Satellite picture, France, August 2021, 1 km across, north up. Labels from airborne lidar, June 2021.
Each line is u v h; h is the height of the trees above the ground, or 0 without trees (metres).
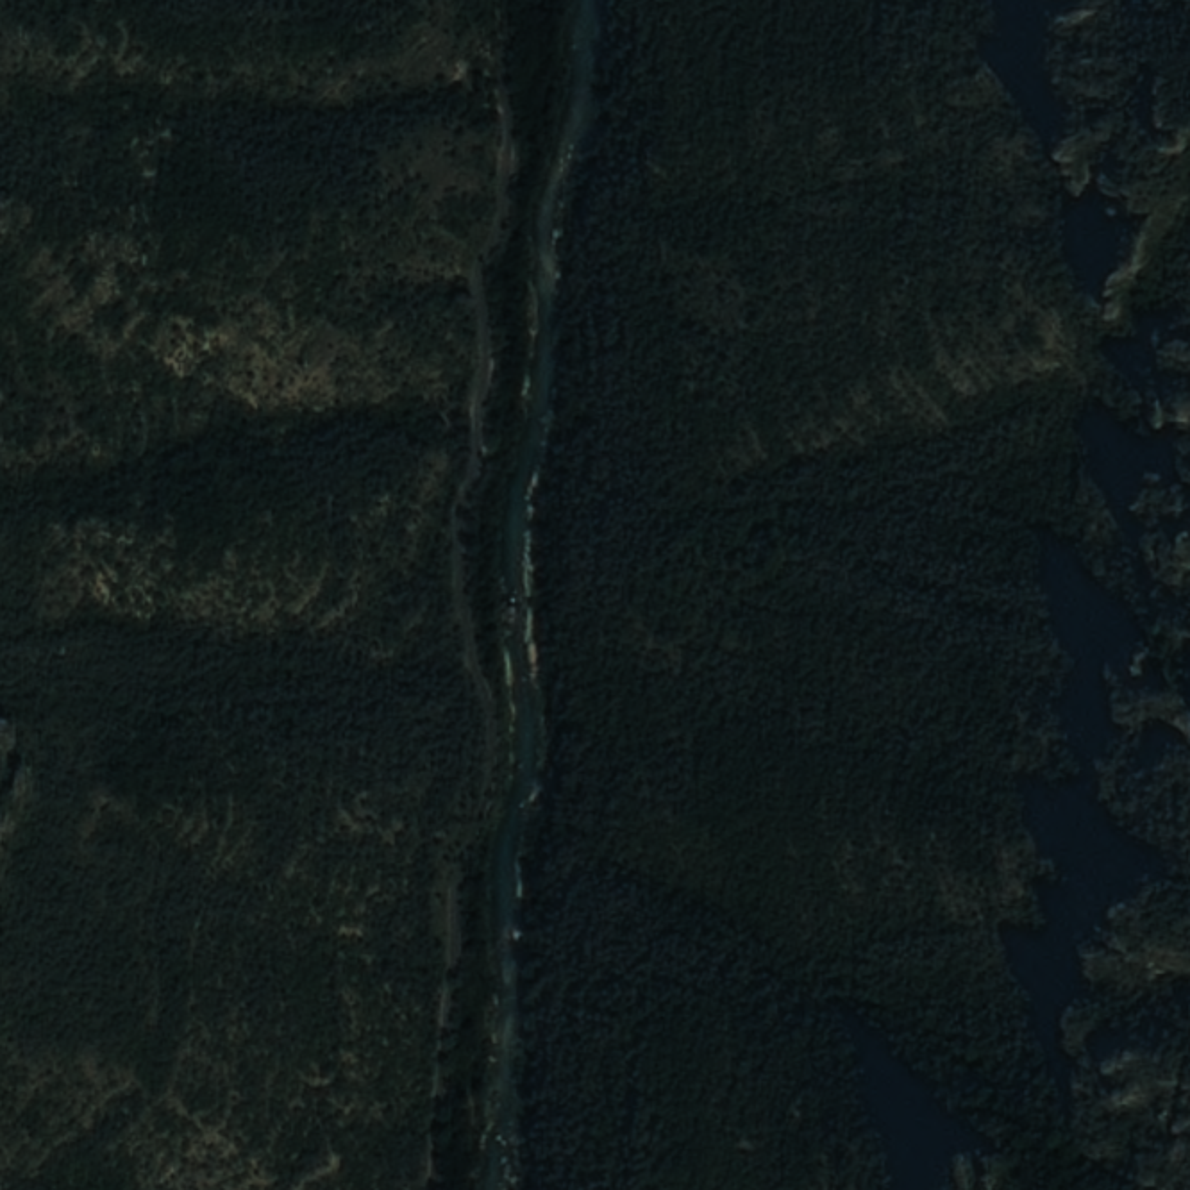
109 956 12
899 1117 8
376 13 7
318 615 7
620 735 10
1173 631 6
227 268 7
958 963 8
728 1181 7
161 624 13
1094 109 11
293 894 6
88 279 11
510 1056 0
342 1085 9
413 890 9
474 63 7
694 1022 8
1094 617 7
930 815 7
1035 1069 8
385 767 8
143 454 9
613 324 21
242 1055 8
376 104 15
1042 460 7
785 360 6
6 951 8
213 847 8
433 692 15
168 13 6
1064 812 12
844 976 12
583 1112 11
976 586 10
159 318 8
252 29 7
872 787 6
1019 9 13
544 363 0
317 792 13
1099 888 28
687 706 6
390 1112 10
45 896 12
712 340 9
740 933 18
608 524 20
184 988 6
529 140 14
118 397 6
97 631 8
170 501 11
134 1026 11
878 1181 8
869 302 6
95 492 11
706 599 6
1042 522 7
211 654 10
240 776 8
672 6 8
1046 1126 10
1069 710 12
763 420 10
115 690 9
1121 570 11
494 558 16
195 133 8
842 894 6
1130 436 10
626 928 8
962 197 10
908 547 10
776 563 9
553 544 15
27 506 12
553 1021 16
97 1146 10
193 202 10
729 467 8
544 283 0
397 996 11
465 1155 17
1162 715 35
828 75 6
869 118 6
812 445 6
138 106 12
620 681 10
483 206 12
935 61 7
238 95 11
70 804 6
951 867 7
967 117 8
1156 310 11
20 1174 6
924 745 8
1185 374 6
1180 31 15
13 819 14
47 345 12
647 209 11
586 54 0
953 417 7
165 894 9
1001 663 9
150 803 9
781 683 6
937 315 7
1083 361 8
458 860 17
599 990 10
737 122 7
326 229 9
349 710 9
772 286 6
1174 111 6
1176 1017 6
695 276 7
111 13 9
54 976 9
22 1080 6
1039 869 8
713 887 7
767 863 9
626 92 12
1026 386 9
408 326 8
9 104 6
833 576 6
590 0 0
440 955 6
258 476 12
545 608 9
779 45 7
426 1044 10
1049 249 9
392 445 11
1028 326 7
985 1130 15
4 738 7
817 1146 8
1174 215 35
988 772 7
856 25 7
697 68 8
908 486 9
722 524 10
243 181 9
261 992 8
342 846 11
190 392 9
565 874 15
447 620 17
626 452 10
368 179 6
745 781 9
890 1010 14
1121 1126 11
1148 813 8
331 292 9
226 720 7
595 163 14
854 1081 7
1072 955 7
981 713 7
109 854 9
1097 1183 16
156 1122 6
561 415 19
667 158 8
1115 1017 6
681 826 7
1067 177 38
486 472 17
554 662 16
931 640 8
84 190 8
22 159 9
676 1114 7
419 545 8
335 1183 6
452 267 6
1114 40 8
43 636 14
